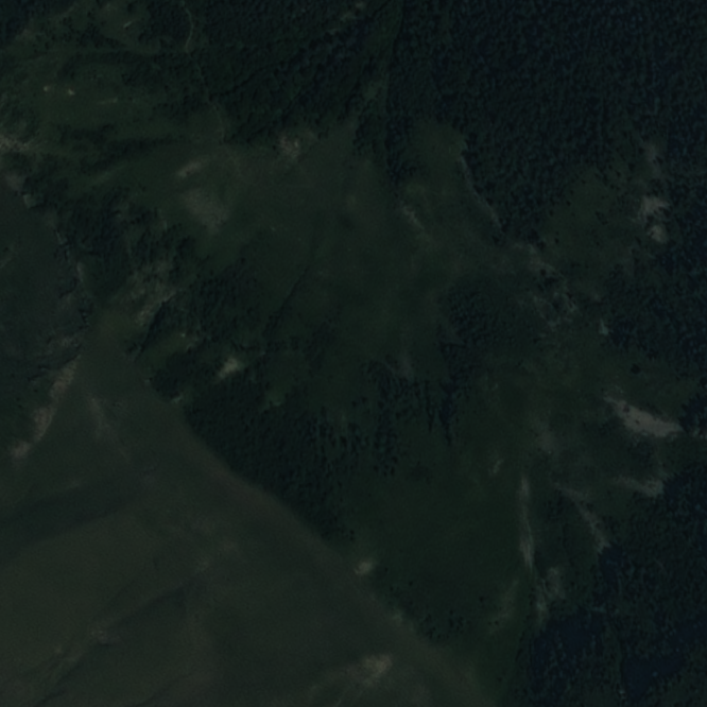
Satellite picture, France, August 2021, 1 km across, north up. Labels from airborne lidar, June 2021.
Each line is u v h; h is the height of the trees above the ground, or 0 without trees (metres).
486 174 7
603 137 8
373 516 0
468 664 0
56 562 0
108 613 0
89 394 0
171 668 0
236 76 10
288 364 0
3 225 0
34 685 0
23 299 0
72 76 8
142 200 0
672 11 11
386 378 8
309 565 0
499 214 0
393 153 10
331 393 0
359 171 0
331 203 0
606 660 10
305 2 15
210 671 0
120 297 0
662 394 0
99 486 0
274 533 0
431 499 0
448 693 0
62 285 0
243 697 0
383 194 0
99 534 0
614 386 0
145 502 0
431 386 6
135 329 0
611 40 10
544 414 0
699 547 10
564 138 10
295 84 15
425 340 0
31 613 0
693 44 18
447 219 0
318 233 0
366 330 0
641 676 6
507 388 0
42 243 0
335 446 11
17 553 0
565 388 0
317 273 0
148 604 0
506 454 0
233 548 0
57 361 0
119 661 0
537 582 0
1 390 0
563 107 10
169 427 0
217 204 0
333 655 0
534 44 30
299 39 11
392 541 0
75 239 8
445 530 0
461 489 0
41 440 0
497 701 0
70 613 0
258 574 0
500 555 0
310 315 0
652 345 7
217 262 0
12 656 0
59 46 0
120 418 0
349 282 0
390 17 7
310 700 0
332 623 0
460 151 0
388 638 0
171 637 0
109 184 0
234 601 0
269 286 0
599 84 11
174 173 0
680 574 5
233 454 5
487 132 8
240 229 0
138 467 0
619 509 0
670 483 0
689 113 10
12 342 0
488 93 14
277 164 0
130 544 0
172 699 0
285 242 0
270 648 0
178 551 0
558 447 0
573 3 20
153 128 0
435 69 6
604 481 0
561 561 0
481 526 0
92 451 0
